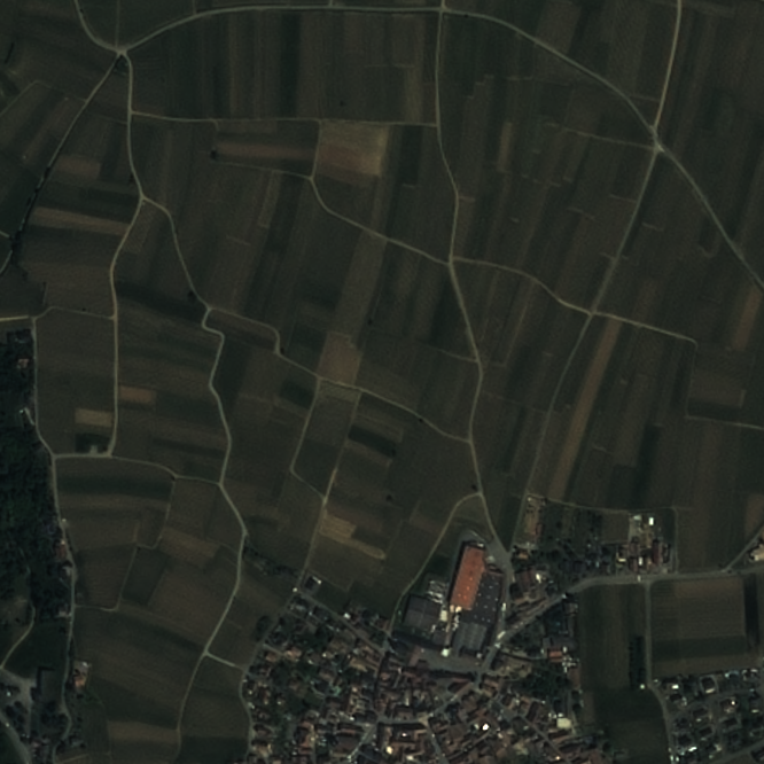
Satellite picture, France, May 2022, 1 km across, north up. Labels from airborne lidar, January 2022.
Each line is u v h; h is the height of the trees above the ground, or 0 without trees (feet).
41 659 0
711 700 0
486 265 0
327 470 0
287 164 0
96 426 0
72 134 0
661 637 0
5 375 25
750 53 0
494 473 0
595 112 0
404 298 0
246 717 0
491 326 0
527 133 0
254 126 0
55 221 0
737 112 0
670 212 0
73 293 0
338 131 0
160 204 0
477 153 0
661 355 0
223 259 0
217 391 0
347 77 0
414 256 0
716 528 0
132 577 0
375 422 0
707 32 0
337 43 0
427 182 0
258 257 0
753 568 0
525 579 0
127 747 0
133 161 0
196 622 0
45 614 30
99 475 0
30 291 0
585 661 0
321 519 0
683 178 0
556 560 32
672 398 0
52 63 0
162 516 0
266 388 0
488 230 0
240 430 0
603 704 0
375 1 0
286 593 0
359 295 0
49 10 0
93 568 0
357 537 0
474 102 0
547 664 19
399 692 0
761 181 0
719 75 0
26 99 0
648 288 0
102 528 0
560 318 0
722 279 0
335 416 0
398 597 0
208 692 0
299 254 0
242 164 0
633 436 0
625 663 0
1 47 0
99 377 0
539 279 0
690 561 0
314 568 0
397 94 0
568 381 0
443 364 0
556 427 0
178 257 0
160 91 0
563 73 0
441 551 0
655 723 0
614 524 0
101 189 0
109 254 0
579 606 0
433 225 0
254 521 0
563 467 0
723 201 0
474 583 0
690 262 0
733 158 0
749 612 0
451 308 0
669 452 0
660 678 0
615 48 0
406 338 0
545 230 0
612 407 0
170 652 0
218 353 0
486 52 0
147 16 0
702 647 0
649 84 0
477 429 0
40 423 0
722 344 0
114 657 0
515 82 0
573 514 0
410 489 0
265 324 0
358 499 0
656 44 0
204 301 0
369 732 0
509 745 0
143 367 0
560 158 0
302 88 0
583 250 0
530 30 0
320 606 0
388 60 0
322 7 0
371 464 0
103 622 0
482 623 0
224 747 0
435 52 0
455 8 0
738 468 0
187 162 0
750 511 0
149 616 0
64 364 0
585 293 0
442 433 0
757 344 0
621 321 0
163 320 0
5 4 0
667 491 0
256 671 30
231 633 0
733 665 0
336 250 0
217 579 0
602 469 0
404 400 0
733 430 0
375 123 0
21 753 0
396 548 0
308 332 0
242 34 0
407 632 0
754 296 0
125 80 0
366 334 0
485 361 0
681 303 0
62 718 28
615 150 0
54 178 0
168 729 0
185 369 0
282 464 0
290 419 0
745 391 0
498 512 0
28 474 26
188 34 0
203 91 0
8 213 0
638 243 0
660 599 0
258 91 0
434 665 0
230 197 0
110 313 0
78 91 0
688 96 0
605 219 0
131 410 0
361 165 0
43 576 0
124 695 0
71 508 0
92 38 0
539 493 0
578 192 0
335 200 0
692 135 0
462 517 0
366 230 0
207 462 0
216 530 0
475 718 0
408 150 0
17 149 0
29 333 0
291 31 0
